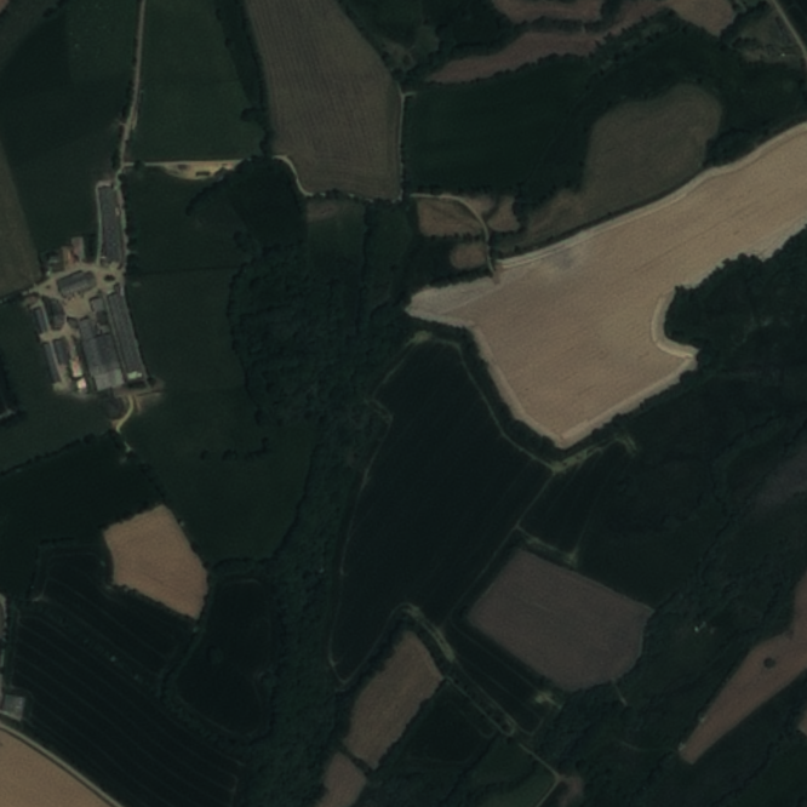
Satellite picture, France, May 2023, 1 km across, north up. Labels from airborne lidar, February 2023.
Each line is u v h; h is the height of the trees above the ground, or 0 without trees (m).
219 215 0
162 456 0
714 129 0
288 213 0
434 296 0
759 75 0
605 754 0
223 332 0
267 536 0
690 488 0
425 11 0
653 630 9
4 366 7
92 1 0
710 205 0
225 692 0
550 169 0
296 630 9
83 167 0
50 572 0
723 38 11
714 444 0
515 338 0
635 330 0
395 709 0
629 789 0
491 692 0
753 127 0
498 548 0
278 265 8
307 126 0
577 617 0
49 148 0
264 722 0
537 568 0
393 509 0
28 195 0
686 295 14
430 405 0
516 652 0
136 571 0
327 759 12
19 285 0
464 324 0
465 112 0
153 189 0
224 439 0
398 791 7
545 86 0
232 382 0
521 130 0
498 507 0
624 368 0
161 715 0
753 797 0
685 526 0
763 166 0
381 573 0
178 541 0
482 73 0
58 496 0
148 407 0
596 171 0
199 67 0
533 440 9
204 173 0
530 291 0
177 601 0
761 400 0
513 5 0
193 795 0
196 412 0
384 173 0
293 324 8
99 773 0
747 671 0
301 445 0
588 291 0
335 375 15
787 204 0
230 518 0
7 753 0
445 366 0
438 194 11
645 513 0
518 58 0
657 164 0
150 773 0
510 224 0
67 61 0
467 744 0
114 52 0
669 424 0
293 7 0
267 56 0
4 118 0
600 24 7
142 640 0
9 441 0
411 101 10
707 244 0
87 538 0
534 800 0
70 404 0
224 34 0
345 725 15
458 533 0
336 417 9
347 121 0
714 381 0
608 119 0
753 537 0
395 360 0
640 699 0
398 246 0
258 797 10
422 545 0
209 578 7
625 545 0
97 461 0
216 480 0
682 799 0
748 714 0
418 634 9
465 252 0
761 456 0
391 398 0
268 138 12
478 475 0
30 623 0
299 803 7
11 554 0
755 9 9
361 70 0
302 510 14
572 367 0
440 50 11
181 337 0
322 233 0
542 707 0
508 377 0
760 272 12
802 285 6
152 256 0
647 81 0
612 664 0
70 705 0
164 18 0
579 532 0
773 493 0
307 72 0
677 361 0
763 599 0
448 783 0
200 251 0
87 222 0
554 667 0
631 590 0
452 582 0
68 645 0
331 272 0
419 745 0
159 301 0
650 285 0
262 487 0
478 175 0
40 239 0
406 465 0
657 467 0
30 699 0
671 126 0
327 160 0
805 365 0
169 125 0
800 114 0
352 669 0
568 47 0
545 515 0
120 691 0
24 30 0
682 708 0
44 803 0
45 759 0
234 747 15
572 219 0
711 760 0
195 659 0
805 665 0
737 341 0
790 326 0
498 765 0
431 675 0
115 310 0
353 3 0
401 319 13
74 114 0
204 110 0
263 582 0
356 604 0
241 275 7
